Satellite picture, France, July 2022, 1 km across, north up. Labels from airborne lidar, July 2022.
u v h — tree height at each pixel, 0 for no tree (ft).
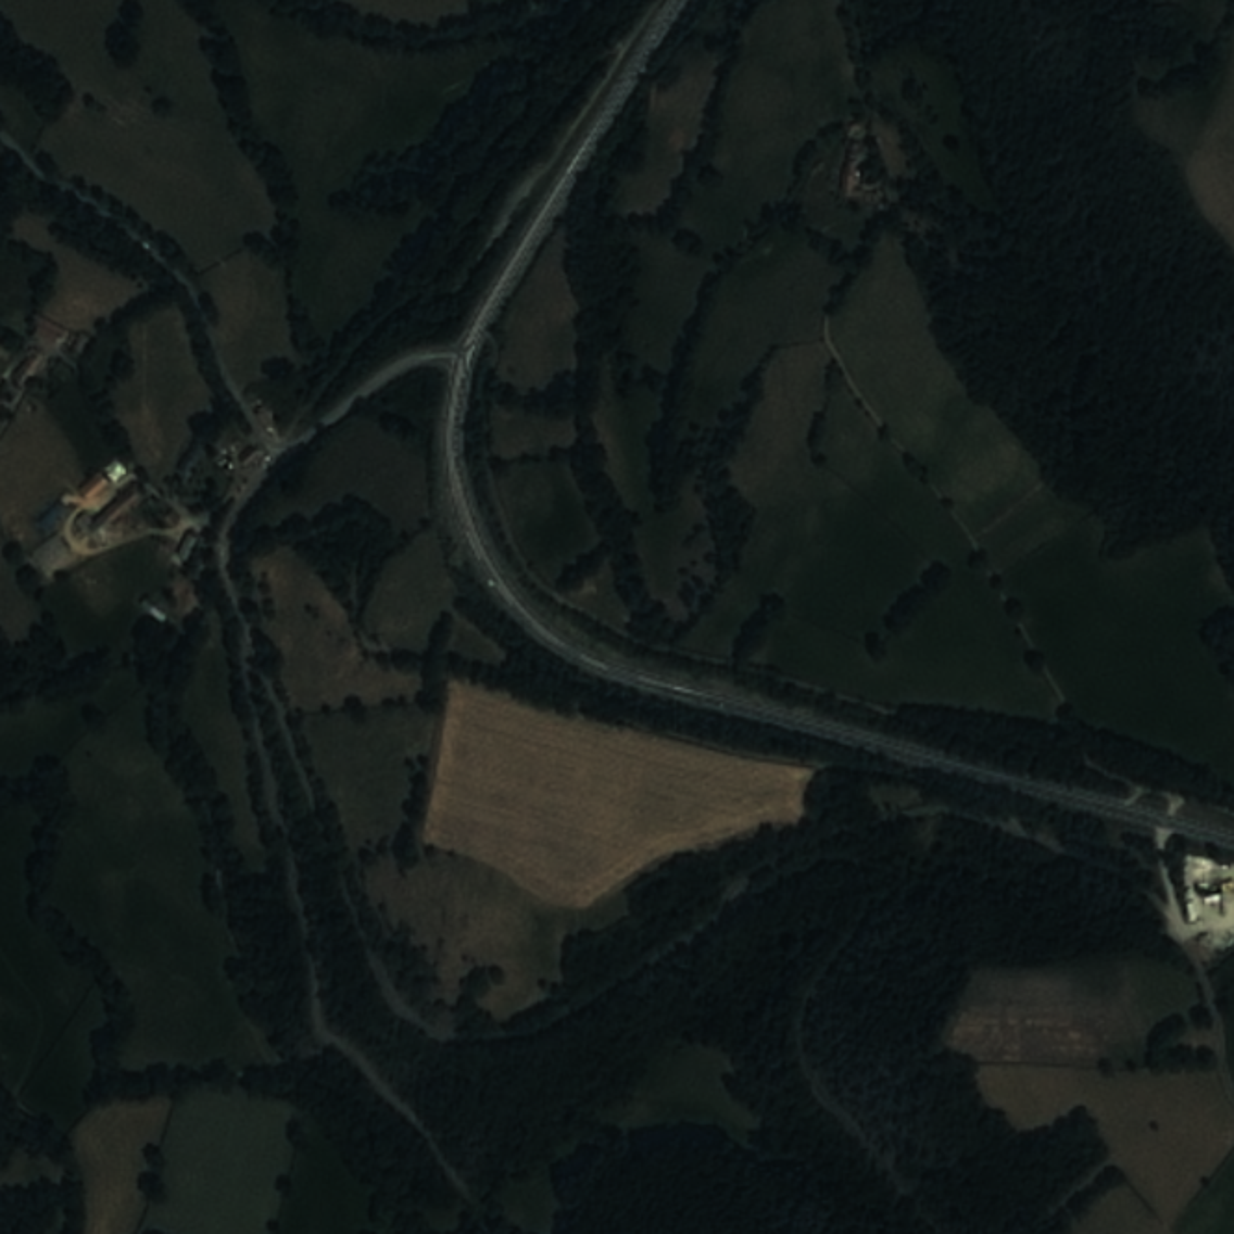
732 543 39
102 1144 0
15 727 0
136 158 0
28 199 61
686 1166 75
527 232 0
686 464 49
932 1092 59
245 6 0
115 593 0
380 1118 62
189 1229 0
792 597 0
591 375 75
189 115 0
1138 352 43
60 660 53
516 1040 27
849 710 21
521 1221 0
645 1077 55
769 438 0
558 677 49
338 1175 0
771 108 0
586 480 61
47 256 22
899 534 0
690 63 0
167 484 25
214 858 40
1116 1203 0
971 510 0
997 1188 71
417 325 48
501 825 0
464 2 0
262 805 46
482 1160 46
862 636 0
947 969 44
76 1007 0
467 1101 75
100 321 25
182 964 0
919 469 39
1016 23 52
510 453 0
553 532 0
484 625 23
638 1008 88
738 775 0
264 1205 0
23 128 0
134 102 0
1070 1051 0
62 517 0
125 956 0
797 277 0
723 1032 75
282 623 0
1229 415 55
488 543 0
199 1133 0
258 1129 0
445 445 0
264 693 29
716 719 30
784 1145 69
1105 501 47
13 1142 62
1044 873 48
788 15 0
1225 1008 40
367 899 28
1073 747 52
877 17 50
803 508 0
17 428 0
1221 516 63
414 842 47
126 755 0
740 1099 54
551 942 0
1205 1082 0
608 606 0
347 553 46
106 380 25
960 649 0
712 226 0
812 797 48
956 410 0
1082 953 35
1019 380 83
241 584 66
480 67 0
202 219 0
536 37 73
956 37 66
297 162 0
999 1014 0
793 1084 53
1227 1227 0
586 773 0
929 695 0
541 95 50
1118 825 0
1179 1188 0
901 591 0
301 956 55
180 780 61
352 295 0
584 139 0
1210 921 0
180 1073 40
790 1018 58
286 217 45
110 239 70
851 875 55
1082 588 0
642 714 35
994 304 80
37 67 91
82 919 0
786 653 0
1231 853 0
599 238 77
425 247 73
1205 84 37
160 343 0
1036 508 0
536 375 0
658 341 0
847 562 0
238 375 0
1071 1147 43
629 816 0
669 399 44
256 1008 67
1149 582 0
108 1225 0
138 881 0
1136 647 0
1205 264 35
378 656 26
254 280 0
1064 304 71
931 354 0
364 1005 46
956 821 29
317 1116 65
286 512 0
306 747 32
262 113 0
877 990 26
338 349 40
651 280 0
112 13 0
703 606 35
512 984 0
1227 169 0
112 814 0
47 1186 61
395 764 0
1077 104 48
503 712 0
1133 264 32
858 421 0
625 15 37
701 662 22
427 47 40
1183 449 89
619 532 67
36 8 0
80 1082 0
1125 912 67
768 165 0
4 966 0
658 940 53
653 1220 67
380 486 0
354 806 0
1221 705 0
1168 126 0
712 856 29
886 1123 40
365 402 32
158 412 0
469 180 76
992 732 53
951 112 0
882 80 0
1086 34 26
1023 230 67
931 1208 60
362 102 0
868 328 0
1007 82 59
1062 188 51
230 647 59
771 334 0
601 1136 74
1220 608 0
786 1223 72
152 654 58
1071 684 0
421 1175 61
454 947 0
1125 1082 0
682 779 0
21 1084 0
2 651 36
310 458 40
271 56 0
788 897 79
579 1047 73
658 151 0
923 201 47
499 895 0
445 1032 0
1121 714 0
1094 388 78
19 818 0
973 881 88
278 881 60
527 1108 70
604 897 0
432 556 0
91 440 0
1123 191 30
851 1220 56
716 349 0
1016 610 45
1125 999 0
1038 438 49
